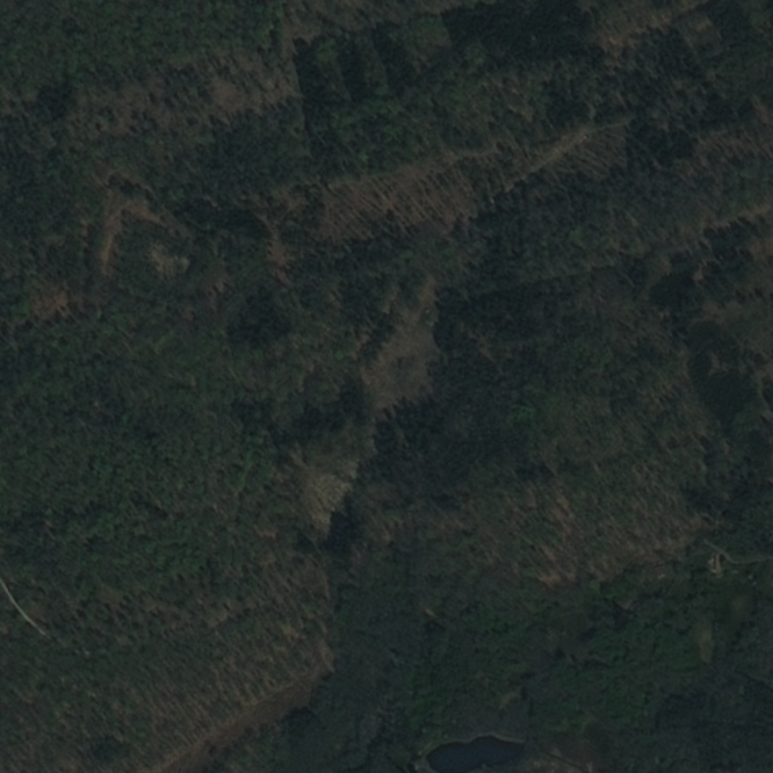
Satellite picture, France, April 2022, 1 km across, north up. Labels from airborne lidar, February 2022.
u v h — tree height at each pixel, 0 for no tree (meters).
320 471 0
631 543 28
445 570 32
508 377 12
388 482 22
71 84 27
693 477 25
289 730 20
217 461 25
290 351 24
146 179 24
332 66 12
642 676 23
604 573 31
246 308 21
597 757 0
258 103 0
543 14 15
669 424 16
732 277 35
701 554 24
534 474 9
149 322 25
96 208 28
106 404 25
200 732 29
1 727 24
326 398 31
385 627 21
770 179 26
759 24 12
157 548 20
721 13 24
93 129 17
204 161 21
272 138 22
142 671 22
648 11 13
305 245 8
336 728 26
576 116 28
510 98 24
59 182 31
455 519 20
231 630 20
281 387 24
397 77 17
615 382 16
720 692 20
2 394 29
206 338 24
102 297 20
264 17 24
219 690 25
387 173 21
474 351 13
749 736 25
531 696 23
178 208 20
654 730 9
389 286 23
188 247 13
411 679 22
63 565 21
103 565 17
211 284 0
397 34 17
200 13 21
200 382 22
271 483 27
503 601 32
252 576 26
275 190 26
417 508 27
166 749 27
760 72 9
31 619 0
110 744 20
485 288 19
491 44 17
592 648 26
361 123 20
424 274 27
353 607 27
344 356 22
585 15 12
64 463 24
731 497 27
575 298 14
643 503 25
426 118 19
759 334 0
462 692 8
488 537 22
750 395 8
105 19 24
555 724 23
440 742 14
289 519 25
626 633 19
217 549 21
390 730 24
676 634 18
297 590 27
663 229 25
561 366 12
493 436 15
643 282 9
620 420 13
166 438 24
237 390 23
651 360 18
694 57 21
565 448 14
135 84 28
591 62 34
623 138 0
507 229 24
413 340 0
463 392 11
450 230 25
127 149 24
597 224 24
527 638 16
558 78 25
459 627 27
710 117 16
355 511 30
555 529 25
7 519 21
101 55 23
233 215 14
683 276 7
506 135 28
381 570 32
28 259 21
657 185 32
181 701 25
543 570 30
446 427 16
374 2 28
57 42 26
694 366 7
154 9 21
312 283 23
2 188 24
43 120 28
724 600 0
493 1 23
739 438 10
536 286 9
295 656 33
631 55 24
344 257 23
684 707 25
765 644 22
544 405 15
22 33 23
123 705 25
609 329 12
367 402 21
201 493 23
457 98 26
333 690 19
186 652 22
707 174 25
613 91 31
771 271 28
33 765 21
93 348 23
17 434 23
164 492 21
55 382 23
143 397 26
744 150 29
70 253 12
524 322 9
